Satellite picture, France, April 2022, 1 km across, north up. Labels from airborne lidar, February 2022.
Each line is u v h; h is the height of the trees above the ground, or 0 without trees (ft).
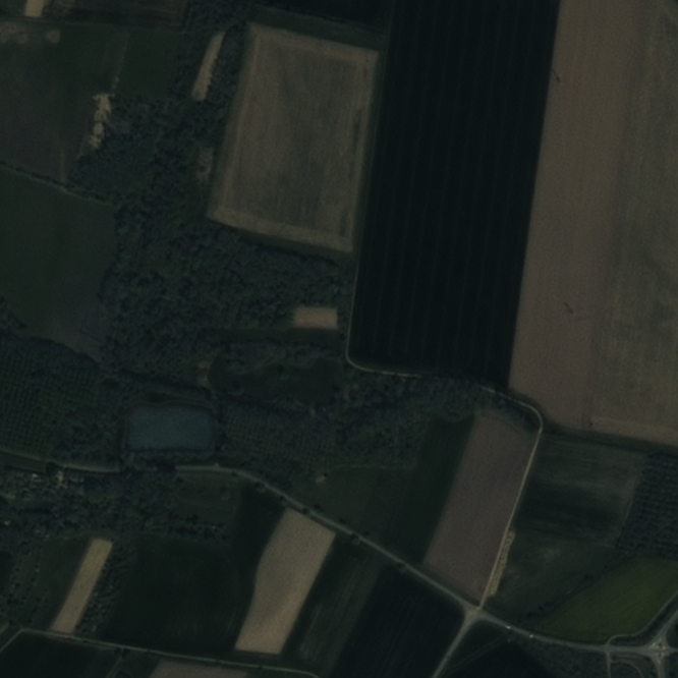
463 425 0
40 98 0
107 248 0
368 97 0
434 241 0
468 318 0
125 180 79
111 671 0
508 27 0
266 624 0
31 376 104
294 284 72
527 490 0
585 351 0
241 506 0
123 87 0
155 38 0
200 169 0
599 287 0
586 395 0
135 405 0
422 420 66
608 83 0
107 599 21
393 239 0
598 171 0
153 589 0
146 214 23
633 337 0
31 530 31
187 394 62
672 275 0
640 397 0
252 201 0
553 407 0
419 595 0
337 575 0
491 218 0
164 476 62
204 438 0
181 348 68
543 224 0
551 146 0
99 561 0
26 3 0
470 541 0
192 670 0
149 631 0
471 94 0
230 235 51
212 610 0
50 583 0
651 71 0
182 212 48
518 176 0
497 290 0
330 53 0
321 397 0
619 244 0
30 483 22
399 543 0
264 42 0
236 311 58
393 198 0
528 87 0
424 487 0
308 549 0
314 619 0
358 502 0
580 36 0
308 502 0
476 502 0
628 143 0
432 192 0
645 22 0
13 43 0
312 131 0
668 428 0
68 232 0
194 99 0
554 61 0
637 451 0
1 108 0
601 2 0
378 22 0
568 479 0
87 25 0
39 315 0
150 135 65
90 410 59
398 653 0
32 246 0
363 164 0
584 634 0
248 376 0
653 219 0
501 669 0
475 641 0
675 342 0
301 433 103
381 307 0
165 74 0
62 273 0
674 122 0
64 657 0
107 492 71
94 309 0
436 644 0
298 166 0
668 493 31
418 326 0
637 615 0
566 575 0
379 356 0
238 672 0
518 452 0
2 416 101
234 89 29
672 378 0
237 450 73
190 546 0
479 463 0
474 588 0
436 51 0
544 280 0
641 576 0
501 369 0
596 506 0
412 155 0
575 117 0
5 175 0
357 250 0
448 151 0
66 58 0
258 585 0
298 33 0
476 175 0
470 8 0
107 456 61
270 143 0
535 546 0
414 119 0
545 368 0
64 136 0
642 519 20
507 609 0
